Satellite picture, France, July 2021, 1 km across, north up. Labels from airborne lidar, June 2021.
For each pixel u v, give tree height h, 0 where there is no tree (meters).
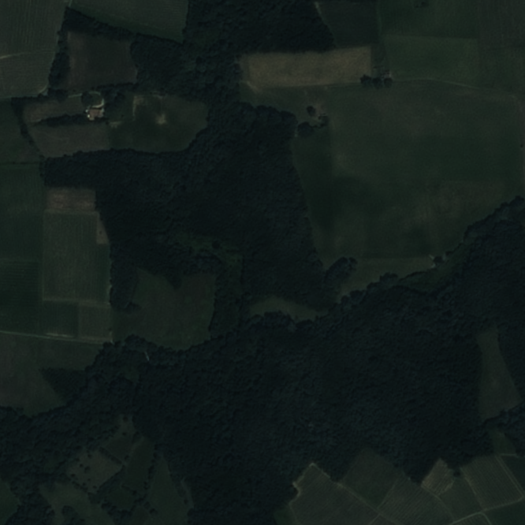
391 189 0
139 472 0
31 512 22
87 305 0
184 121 0
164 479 0
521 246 20
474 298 18
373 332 22
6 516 0
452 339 25
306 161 0
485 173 0
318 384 23
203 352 17
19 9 0
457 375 17
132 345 24
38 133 0
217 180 24
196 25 16
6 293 0
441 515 0
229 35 16
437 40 0
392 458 19
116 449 0
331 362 25
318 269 24
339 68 0
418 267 0
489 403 0
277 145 16
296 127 19
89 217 0
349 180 0
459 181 0
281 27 20
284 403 24
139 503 8
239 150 23
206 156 32
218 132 30
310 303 20
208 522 17
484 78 0
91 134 0
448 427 23
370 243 0
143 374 22
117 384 23
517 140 0
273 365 18
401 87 0
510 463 0
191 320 0
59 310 0
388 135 0
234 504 23
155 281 0
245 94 0
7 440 20
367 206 0
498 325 11
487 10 0
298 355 24
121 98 18
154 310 0
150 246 20
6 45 0
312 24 21
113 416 20
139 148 0
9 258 0
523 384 15
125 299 16
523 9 0
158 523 0
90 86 0
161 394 24
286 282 19
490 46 0
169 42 12
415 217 0
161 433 19
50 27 0
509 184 0
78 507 0
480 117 0
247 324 20
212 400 12
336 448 19
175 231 14
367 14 0
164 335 0
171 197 23
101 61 0
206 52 7
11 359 0
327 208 0
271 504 22
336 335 22
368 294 15
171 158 13
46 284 0
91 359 0
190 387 21
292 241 19
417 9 0
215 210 19
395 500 0
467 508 0
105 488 7
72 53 0
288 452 22
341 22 0
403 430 21
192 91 18
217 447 24
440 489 0
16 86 0
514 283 15
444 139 0
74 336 0
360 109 0
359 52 0
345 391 26
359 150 0
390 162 0
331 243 0
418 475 11
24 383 0
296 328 24
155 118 0
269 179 22
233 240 21
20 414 9
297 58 0
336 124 0
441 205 0
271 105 0
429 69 0
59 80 20
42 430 24
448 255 15
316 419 21
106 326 0
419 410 24
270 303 0
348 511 0
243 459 27
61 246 0
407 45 0
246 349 22
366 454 0
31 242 0
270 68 0
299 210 22
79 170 18
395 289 13
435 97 0
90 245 0
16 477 17
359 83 0
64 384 8
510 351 17
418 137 0
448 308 26
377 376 19
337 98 0
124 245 20
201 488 6
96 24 17
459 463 16
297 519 0
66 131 0
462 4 0
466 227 0
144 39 15
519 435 23
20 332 0
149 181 18
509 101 0
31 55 0
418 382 25
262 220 16
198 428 22
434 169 0
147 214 19
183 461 14
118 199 20
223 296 17
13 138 0
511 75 0
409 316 23
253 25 20
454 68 0
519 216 11
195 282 0
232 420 20
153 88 16
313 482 0
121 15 0
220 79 34
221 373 16
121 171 20
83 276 0
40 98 12
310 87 0
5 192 0
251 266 18
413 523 0
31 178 0
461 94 0
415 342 25
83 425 30
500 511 0
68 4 0
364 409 24
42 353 0
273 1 22
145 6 0
